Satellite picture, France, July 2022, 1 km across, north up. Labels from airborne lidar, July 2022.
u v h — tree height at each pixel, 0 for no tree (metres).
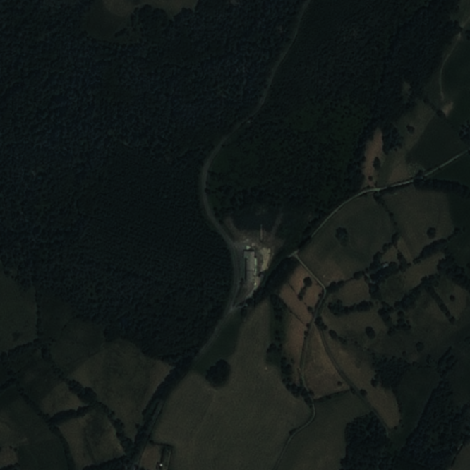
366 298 0
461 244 0
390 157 0
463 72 0
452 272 14
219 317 14
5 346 0
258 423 0
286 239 0
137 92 21
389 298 0
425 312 0
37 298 10
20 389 12
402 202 0
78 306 9
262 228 0
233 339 0
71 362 0
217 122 21
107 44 6
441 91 0
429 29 15
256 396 0
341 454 0
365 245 0
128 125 14
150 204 12
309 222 8
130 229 8
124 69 37
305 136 7
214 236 10
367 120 9
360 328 0
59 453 0
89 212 23
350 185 17
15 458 0
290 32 24
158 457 0
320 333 0
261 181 6
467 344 6
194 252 10
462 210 0
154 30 18
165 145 7
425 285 18
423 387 0
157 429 0
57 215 21
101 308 13
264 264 0
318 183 6
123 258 11
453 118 0
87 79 24
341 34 7
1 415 0
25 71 18
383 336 0
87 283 8
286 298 0
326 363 0
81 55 18
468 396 0
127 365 0
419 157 0
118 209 10
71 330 0
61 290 8
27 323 0
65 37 21
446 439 14
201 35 15
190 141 24
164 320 19
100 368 0
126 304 18
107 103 21
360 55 10
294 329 0
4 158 28
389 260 0
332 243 0
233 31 18
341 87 12
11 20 11
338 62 7
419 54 20
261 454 0
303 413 0
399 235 7
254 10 20
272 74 15
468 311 0
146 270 12
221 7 19
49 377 0
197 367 0
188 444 0
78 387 14
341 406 0
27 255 19
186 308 17
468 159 0
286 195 6
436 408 15
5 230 14
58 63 23
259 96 19
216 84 24
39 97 24
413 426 0
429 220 0
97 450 0
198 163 12
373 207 0
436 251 14
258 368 0
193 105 30
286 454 0
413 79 15
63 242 25
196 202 9
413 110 11
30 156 26
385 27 8
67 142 28
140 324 14
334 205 7
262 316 0
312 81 8
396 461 11
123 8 0
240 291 0
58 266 15
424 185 19
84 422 0
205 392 0
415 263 10
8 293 0
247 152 6
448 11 21
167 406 0
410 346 0
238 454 0
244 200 11
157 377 0
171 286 10
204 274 6
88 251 12
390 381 7
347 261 0
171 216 10
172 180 11
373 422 14
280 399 0
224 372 12
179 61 21
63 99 34
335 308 9
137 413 0
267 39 18
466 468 0
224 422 0
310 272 0
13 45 23
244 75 26
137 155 9
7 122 24
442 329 0
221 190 14
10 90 13
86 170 30
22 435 0
